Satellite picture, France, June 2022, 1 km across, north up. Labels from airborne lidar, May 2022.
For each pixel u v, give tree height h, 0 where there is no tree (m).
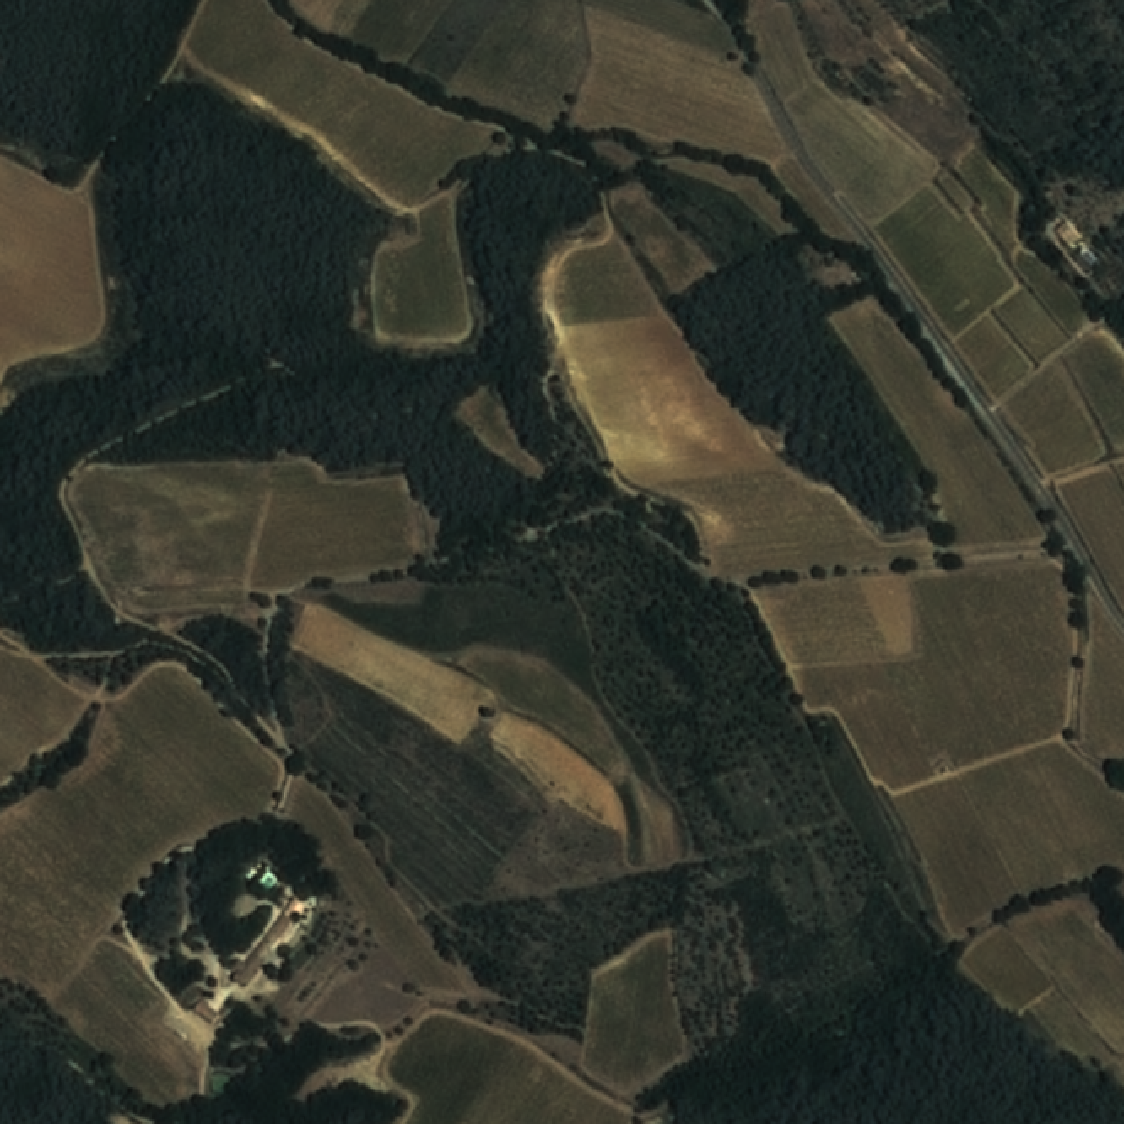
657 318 0
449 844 0
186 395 13
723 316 19
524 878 0
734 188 0
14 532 10
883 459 18
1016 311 0
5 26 18
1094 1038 0
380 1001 0
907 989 15
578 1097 0
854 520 0
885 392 0
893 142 0
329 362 12
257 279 15
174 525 0
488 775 0
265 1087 17
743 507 0
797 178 0
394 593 0
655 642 5
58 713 0
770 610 0
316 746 0
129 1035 0
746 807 0
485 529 12
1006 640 0
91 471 0
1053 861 0
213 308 14
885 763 0
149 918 20
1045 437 0
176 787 0
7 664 0
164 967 9
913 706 0
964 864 0
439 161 0
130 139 12
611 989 0
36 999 10
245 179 17
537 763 0
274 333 17
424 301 0
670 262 0
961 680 0
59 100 17
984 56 8
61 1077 19
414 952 0
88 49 17
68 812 0
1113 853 0
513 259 20
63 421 17
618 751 0
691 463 0
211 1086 0
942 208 0
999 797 0
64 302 0
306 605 0
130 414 15
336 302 18
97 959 0
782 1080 14
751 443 0
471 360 15
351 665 0
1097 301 14
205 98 8
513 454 0
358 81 0
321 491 0
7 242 0
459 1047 0
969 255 0
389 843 0
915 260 0
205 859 16
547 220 8
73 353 0
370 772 0
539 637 0
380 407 18
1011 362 0
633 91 0
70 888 0
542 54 0
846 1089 17
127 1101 11
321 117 0
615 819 0
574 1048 0
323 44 14
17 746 0
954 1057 19
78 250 0
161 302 20
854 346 0
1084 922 0
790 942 10
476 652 0
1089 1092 20
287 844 18
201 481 0
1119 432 0
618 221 0
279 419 16
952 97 0
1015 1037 22
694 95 0
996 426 0
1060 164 9
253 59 0
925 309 0
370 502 0
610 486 14
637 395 0
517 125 14
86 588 16
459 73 0
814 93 0
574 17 0
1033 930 0
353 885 0
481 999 0
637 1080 0
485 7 0
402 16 0
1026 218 11
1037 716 0
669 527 8
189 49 0
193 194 14
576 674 0
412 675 0
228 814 0
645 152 9
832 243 18
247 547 0
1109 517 0
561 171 11
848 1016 15
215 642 19
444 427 19
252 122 11
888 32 0
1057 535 16
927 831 0
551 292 0
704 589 9
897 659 0
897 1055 11
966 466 0
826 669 0
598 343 0
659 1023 0
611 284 0
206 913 12
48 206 0
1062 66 11
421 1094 0
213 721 0
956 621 0
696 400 0
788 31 0
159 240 16
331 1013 0
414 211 0
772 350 14
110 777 0
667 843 0
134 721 0
